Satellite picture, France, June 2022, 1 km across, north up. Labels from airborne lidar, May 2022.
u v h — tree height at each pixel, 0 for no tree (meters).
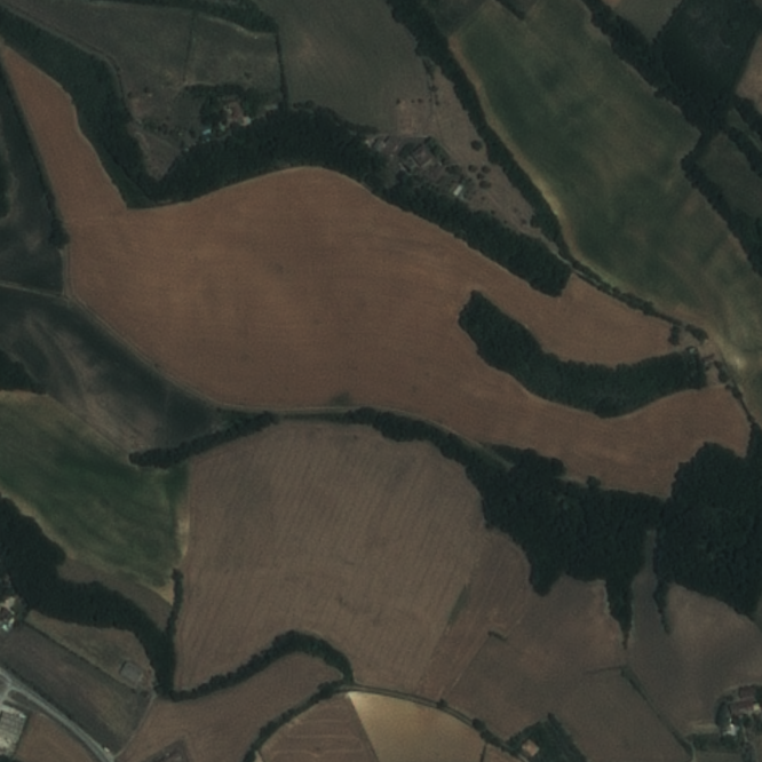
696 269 0
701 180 18
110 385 0
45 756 0
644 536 19
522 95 0
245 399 0
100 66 7
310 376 0
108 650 0
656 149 0
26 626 6
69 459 0
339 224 0
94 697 0
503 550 0
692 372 10
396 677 0
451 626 0
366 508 0
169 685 15
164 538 0
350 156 20
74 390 0
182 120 0
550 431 0
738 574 18
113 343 0
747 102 14
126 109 8
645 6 0
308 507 0
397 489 0
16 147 0
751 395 0
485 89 0
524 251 11
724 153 0
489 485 19
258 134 18
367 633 0
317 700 11
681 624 0
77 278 0
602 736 0
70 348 0
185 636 0
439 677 0
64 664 0
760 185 0
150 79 0
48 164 0
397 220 0
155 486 0
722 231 0
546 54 0
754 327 0
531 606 0
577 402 8
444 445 15
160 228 0
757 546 24
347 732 0
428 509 0
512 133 0
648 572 0
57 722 0
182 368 0
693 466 15
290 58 0
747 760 8
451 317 0
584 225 0
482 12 0
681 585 14
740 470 14
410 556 0
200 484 0
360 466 0
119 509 0
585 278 9
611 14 8
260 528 0
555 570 18
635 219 0
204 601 0
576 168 0
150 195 14
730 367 0
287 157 13
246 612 0
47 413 0
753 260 16
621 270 0
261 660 18
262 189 0
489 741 15
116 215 0
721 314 0
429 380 0
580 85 0
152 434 0
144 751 0
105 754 0
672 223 0
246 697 0
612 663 0
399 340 0
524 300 0
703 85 11
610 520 22
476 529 0
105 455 0
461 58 0
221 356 0
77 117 0
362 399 0
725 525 16
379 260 0
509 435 0
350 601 0
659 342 0
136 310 0
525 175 12
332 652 14
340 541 0
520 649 0
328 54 0
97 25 0
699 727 0
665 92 19
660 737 0
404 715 0
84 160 0
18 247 0
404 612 0
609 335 0
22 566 18
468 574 0
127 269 0
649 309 11
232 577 0
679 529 21
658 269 0
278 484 0
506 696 0
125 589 0
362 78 0
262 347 0
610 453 0
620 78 0
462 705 0
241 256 0
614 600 12
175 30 0
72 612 21
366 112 0
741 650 0
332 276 0
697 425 0
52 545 19
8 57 0
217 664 0
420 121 0
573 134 0
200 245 0
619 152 0
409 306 0
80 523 0
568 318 0
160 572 0
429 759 0
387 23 0
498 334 16
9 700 0
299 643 16
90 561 0
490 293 0
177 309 0
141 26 0
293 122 17
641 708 0
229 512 0
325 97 0
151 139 0
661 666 0
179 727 0
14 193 0
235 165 17
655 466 0
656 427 0
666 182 0
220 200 0
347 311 0
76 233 0
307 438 0
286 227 0
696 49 6
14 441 0
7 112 0
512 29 0
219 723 0
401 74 0
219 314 0
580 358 0
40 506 0
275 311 0
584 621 0
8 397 0
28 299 0
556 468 19
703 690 0
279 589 0
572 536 10
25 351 0
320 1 0
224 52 0
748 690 8
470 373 0
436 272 0
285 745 0
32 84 0
